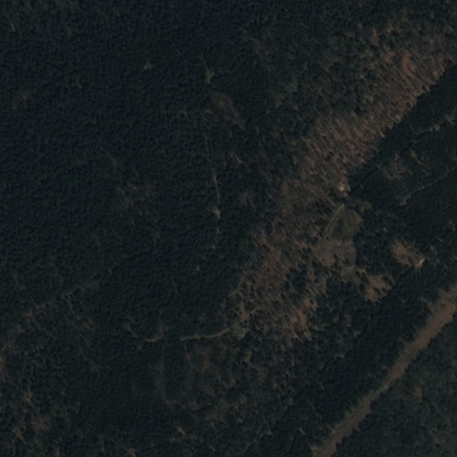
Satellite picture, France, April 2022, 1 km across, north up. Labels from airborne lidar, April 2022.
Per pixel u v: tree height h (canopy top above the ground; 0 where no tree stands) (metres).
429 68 36
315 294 33
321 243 30
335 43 20
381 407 31
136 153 24
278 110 19
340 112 33
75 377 18
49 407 18
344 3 28
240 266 15
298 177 36
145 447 22
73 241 26
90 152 28
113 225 21
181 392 14
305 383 21
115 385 20
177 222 20
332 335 24
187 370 13
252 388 25
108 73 21
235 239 22
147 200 22
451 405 21
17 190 24
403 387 20
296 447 31
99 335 21
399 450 27
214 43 20
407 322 35
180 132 27
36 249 25
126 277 26
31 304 26
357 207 28
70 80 18
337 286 29
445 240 24
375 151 28
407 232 19
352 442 21
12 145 18
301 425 23
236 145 26
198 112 29
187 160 25
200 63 23
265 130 27
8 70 27
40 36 17
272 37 18
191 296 23
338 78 18
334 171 34
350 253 0
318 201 37
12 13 22
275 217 7
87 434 16
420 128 24
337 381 30
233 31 16
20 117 21
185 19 18
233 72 20
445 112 25
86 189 24
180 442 19
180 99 28
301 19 19
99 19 34
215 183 21
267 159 24
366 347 37
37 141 23
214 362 14
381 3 27
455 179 26
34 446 25
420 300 31
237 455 18
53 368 27
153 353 25
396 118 36
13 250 22
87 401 21
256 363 23
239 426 19
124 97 26
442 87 27
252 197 30
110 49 11
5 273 21
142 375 20
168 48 21
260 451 20
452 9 22
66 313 25
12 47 21
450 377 25
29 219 24
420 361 18
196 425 25
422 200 20
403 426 22
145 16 27
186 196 15
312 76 14
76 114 22
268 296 35
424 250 26
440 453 11
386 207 37
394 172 20
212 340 6
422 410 15
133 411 16
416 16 12
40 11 23
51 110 19
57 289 26
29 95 23
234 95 24
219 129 24
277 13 18
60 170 23
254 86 20
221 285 20
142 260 25
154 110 17
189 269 19
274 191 13
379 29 31
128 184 25
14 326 15
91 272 23
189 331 17
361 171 26
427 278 29
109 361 21
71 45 24
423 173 23
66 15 23
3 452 25
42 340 25
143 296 26
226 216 22
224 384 16
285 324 32
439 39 37
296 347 25
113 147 29
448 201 22
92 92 17
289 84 12
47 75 23
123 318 19
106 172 23
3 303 23
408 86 39
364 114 39
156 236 28
